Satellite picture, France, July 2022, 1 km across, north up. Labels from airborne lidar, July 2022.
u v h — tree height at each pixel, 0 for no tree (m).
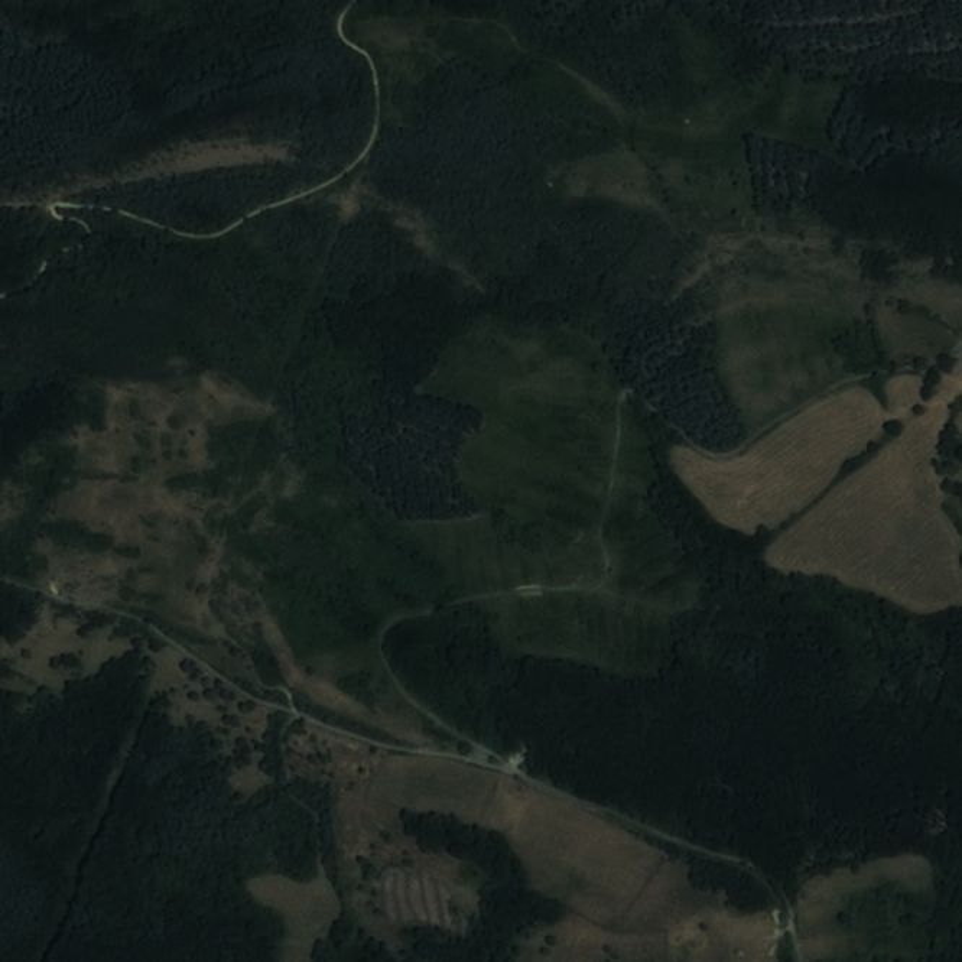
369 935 15
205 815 13
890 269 8
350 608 8
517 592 0
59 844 24
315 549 7
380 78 6
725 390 10
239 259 10
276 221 9
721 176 0
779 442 0
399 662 8
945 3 16
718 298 0
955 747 24
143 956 22
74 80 18
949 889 16
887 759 22
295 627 8
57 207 9
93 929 13
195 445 0
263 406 0
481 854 18
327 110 13
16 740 19
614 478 0
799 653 16
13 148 22
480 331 0
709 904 0
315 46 9
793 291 0
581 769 19
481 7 14
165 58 11
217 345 6
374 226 9
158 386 0
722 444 15
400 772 0
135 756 13
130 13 9
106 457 0
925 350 0
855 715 16
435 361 12
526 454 0
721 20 13
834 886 0
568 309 7
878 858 9
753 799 21
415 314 20
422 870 0
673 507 21
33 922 20
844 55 16
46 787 22
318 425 7
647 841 6
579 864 0
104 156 7
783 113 0
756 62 16
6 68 17
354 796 0
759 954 0
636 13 19
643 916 0
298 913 0
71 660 12
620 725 20
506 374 0
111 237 11
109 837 16
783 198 15
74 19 14
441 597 11
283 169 10
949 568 0
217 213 8
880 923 9
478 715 11
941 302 0
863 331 8
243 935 21
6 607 13
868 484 0
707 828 19
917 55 16
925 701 14
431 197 6
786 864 15
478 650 12
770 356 0
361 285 10
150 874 8
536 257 6
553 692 24
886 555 0
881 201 13
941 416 0
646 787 22
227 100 15
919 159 19
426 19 0
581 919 0
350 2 11
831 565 0
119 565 0
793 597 21
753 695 16
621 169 0
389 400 14
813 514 0
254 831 11
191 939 22
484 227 7
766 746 21
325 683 0
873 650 10
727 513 0
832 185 13
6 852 23
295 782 9
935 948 12
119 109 20
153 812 13
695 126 0
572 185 0
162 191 14
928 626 7
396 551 7
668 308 12
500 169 8
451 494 19
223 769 13
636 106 13
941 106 17
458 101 9
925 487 0
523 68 9
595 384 0
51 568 0
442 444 21
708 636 12
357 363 7
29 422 13
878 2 17
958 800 20
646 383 17
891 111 20
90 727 20
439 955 14
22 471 6
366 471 19
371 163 9
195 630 0
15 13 15
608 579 0
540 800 0
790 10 17
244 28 10
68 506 0
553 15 17
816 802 16
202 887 9
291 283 9
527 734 20
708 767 25
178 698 0
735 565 21
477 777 0
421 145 12
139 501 0
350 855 0
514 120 10
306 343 10
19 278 13
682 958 0
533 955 0
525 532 14
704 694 17
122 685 17
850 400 0
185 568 0
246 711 8
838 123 20
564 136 8
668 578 8
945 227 14
